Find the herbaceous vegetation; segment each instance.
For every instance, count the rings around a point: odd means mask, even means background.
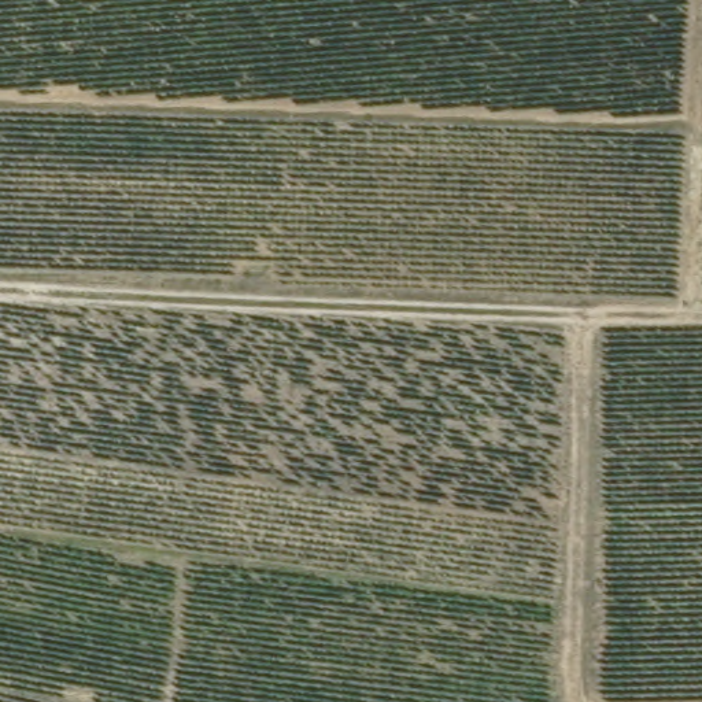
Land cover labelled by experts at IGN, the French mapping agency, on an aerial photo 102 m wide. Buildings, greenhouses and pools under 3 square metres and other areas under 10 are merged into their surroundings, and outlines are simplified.
[[[488,107],[428,110],[411,101],[365,107],[359,101],[296,104],[291,99],[225,101],[219,96],[99,96],[96,90],[82,90],[77,85],[47,85],[38,93],[22,93],[11,88],[0,90],[0,101],[22,107],[77,104],[85,107],[90,115],[184,115],[184,110],[219,110],[288,115],[348,112],[376,118],[414,115],[425,121],[537,121],[554,126],[617,129],[688,123],[688,132],[683,134],[683,151],[688,151],[691,145],[702,148],[702,0],[686,0],[680,110],[666,115]]]
[[[551,516],[554,529],[548,532],[548,540],[557,543],[554,587],[565,592],[565,603],[554,614],[554,620],[537,625],[537,633],[551,633],[554,644],[546,653],[546,664],[551,666],[548,697],[554,702],[601,702],[601,664],[603,644],[609,636],[603,543],[609,529],[609,513],[603,505],[603,472],[606,458],[612,458],[612,450],[603,447],[603,332],[595,337],[595,351],[587,359],[573,362],[565,346],[546,346],[543,351],[562,370],[554,403],[529,400],[529,409],[551,411],[559,417],[559,425],[543,422],[537,431],[559,436],[559,447],[551,452],[551,463],[557,466],[551,472],[551,491],[557,499],[548,499],[529,485],[521,488]]]

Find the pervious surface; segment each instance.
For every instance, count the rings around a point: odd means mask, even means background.
[[[617,299],[598,307],[559,307],[0,280],[0,302],[38,307],[44,304],[239,313],[271,315],[285,321],[291,315],[343,321],[389,318],[409,321],[417,329],[428,329],[433,324],[554,324],[559,326],[565,346],[573,362],[587,359],[595,351],[595,337],[603,332],[603,326],[702,324],[702,148],[691,145],[688,151],[683,151],[675,299]]]

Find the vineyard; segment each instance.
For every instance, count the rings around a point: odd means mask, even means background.
[[[409,321],[389,318],[343,321],[291,315],[285,321],[271,315],[239,313],[44,304],[38,307],[0,302],[0,702],[554,702],[548,697],[551,666],[546,664],[546,653],[554,644],[551,633],[537,633],[537,625],[554,620],[554,614],[565,603],[565,592],[554,587],[557,543],[548,540],[548,532],[554,529],[551,516],[521,488],[529,485],[548,499],[557,499],[551,491],[551,472],[557,466],[551,463],[551,452],[559,447],[559,436],[537,431],[543,422],[559,425],[559,417],[551,411],[529,409],[529,400],[554,403],[562,370],[543,351],[546,346],[565,346],[559,326],[554,324],[433,324],[428,329],[417,329]]]
[[[0,0],[0,90],[11,88],[22,93],[38,93],[47,85],[77,85],[82,90],[96,90],[99,96],[219,96],[225,101],[291,99],[296,104],[359,101],[365,107],[411,101],[428,110],[488,107],[666,115],[680,110],[686,0]]]
[[[425,121],[414,115],[376,118],[348,112],[288,115],[219,110],[184,110],[184,115],[90,115],[85,107],[77,104],[22,107],[0,101],[0,280],[559,307],[598,307],[617,299],[675,299],[683,151],[683,134],[688,132],[688,123],[617,129],[554,126],[537,121]]]
[[[609,636],[603,644],[601,664],[601,702],[702,702],[702,324],[603,326],[603,332],[603,447],[612,450],[612,458],[606,458],[603,472],[603,505],[609,513],[609,529],[603,543]]]

